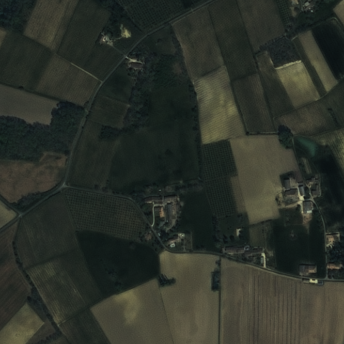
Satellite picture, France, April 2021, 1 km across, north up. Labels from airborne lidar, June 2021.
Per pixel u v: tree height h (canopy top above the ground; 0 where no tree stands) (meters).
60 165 0
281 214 0
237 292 0
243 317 0
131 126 9
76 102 0
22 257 0
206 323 0
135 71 9
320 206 0
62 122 21
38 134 23
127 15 11
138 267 0
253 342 0
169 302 0
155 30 0
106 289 0
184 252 0
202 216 0
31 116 0
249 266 0
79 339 0
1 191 0
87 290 0
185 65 15
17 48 0
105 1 26
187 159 0
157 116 0
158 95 0
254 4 0
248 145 0
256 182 0
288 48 8
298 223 0
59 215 0
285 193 9
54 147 22
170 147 0
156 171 0
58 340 15
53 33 0
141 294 0
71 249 0
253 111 0
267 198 0
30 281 13
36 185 0
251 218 0
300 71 0
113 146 0
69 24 0
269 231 0
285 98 0
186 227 0
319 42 0
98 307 0
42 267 0
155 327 0
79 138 0
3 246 0
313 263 0
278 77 0
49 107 0
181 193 16
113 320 0
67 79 0
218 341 0
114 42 5
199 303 0
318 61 0
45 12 0
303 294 0
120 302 0
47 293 0
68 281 0
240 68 0
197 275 0
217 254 0
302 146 0
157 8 6
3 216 0
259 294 0
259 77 0
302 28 13
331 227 0
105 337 0
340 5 0
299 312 0
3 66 0
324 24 0
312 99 0
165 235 23
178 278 0
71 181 0
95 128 0
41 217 0
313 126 0
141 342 0
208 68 0
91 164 0
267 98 0
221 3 0
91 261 0
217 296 0
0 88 0
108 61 0
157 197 0
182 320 0
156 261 0
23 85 0
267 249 0
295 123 0
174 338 0
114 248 0
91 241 0
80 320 0
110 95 0
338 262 18
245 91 0
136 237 0
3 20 13
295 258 0
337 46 0
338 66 0
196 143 8
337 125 0
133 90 10
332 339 0
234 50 0
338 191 0
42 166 0
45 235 0
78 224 6
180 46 16
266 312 0
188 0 0
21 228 0
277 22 0
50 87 0
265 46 10
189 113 0
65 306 0
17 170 0
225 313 0
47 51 0
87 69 0
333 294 0
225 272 0
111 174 0
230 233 0
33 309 0
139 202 13
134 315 0
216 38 0
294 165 0
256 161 0
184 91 0
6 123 13
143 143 0
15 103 0
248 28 0
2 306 0
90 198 5
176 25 0
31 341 0
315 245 0
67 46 0
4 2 15
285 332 0
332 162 0
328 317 0
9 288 0
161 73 6
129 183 0
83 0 0
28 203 16
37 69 0
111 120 0
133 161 0
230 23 0
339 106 0
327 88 0
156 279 0
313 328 0
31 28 0
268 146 0
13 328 0
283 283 0
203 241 0
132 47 0
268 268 0
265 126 0
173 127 0
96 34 0
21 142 22
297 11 12
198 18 0
